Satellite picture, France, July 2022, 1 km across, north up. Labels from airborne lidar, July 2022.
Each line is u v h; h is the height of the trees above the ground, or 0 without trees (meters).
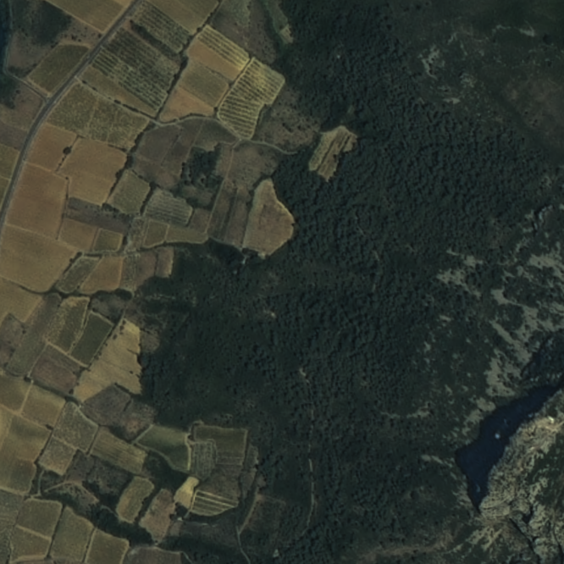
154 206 0
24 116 0
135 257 0
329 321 9
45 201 0
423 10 11
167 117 0
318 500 10
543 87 0
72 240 0
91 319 0
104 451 0
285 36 0
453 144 14
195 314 6
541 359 13
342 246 15
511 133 8
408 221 10
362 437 9
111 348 0
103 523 7
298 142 0
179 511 9
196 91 0
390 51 11
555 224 0
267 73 0
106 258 0
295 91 6
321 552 13
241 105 0
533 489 0
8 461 0
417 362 6
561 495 0
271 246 0
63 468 0
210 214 0
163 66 0
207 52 0
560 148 0
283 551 10
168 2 0
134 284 0
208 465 0
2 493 0
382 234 12
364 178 11
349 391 10
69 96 0
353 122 9
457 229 9
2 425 0
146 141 0
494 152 16
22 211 0
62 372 0
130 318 0
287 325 11
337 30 9
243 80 0
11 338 0
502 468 0
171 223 0
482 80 0
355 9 7
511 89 0
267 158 0
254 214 0
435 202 8
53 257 0
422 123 17
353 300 10
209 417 0
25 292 0
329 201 13
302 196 7
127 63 0
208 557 12
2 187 0
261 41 0
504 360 6
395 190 8
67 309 0
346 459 6
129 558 0
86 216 0
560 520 0
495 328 0
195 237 0
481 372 0
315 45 7
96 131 0
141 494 0
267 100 0
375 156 13
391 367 6
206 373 6
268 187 0
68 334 0
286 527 6
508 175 9
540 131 0
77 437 0
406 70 11
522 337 0
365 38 9
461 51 0
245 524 0
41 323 0
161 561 0
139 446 0
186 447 0
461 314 13
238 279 7
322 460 7
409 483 9
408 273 9
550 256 0
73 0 0
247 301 6
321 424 8
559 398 0
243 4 0
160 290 7
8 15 8
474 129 11
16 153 0
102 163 0
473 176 15
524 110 0
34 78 0
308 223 16
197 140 0
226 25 0
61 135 0
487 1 0
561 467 0
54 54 0
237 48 0
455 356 0
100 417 0
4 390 0
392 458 9
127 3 0
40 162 0
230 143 0
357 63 12
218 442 0
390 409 8
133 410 0
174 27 0
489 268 9
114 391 0
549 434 0
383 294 7
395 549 0
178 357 11
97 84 0
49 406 0
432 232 9
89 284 0
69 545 0
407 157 18
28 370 0
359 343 14
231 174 0
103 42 0
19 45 0
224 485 0
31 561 0
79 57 0
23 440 0
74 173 0
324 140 0
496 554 0
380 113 12
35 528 0
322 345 13
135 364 0
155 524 0
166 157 0
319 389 17
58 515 0
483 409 0
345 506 8
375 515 12
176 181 0
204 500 0
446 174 16
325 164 0
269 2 0
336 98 11
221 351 6
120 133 0
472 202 18
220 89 0
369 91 15
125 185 0
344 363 11
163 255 0
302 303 9
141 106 0
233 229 0
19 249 0
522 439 0
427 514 11
